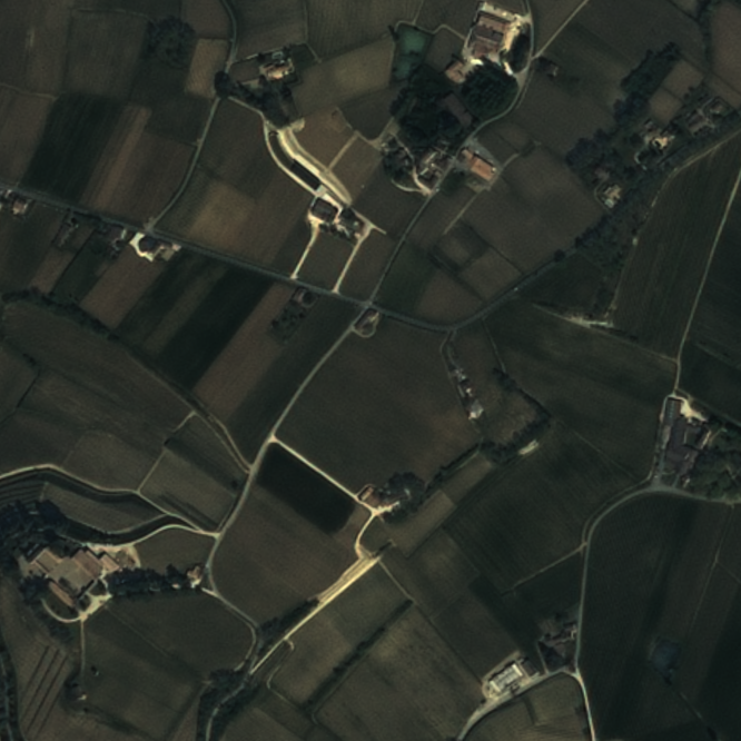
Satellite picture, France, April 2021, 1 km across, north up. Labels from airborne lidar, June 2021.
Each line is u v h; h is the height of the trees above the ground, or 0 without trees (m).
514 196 0
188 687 0
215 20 0
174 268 0
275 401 0
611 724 0
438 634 0
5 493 0
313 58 0
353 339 0
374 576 0
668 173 9
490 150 0
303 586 0
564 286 0
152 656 0
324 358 0
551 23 0
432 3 0
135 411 0
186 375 0
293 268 0
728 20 0
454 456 0
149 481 0
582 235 0
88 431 0
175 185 0
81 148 0
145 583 22
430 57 0
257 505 0
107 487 0
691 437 0
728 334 0
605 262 16
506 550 0
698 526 0
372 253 0
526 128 0
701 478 26
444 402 0
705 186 0
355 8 0
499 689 0
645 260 0
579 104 0
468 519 0
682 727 0
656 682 0
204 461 0
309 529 0
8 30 0
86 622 0
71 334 0
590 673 0
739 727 0
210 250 0
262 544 0
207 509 0
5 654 15
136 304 0
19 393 0
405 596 0
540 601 0
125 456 0
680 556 0
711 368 0
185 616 0
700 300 0
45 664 0
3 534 8
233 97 7
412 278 0
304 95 0
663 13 0
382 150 0
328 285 0
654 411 0
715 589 0
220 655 0
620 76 0
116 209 0
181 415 0
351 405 0
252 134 0
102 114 0
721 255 0
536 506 0
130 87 0
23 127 0
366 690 0
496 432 0
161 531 0
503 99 18
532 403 15
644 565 0
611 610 0
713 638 0
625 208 16
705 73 0
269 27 0
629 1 0
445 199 0
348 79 0
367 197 0
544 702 0
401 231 0
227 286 0
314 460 0
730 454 6
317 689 0
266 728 0
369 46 0
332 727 0
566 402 0
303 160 0
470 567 0
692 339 0
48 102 0
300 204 0
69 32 0
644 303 0
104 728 0
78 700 9
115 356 0
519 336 0
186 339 0
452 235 0
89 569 0
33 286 0
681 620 0
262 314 0
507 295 0
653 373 0
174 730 0
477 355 0
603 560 0
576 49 0
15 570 20
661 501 0
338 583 0
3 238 0
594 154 18
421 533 0
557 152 0
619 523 0
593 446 0
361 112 0
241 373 0
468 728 0
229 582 0
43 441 0
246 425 0
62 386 0
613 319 0
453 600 0
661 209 0
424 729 0
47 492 0
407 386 0
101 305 0
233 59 0
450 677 0
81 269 0
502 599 0
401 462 0
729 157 0
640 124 19
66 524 29
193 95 0
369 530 0
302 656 0
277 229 0
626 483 0
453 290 0
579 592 0
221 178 0
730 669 0
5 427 0
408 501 13
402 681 0
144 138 0
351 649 0
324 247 0
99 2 0
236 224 0
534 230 0
